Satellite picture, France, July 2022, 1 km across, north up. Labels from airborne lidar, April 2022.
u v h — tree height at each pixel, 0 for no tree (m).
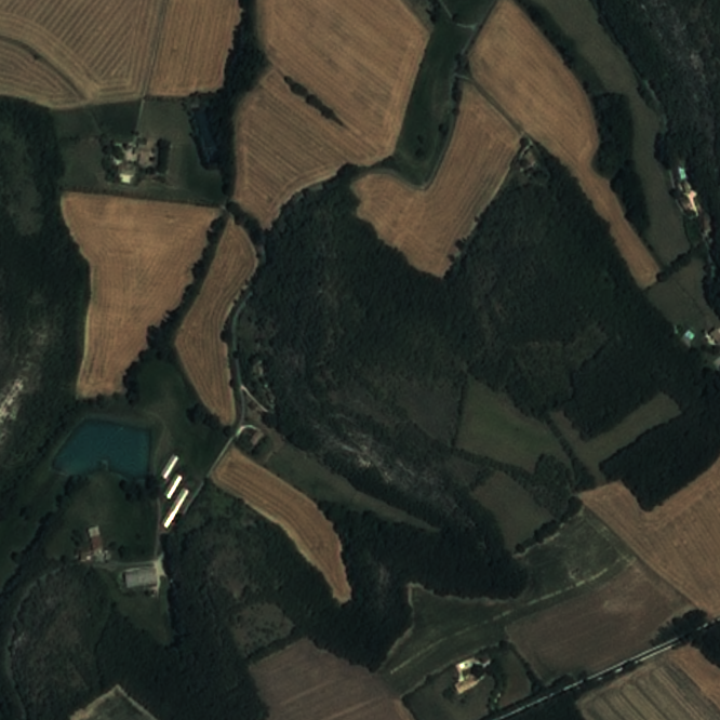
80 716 0
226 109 20
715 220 14
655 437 17
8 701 21
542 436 0
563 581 0
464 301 13
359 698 0
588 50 0
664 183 0
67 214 0
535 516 0
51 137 7
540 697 13
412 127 0
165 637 0
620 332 9
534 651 0
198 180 0
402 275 20
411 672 0
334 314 7
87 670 9
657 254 0
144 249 0
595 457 0
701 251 6
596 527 0
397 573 8
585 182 0
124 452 0
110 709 0
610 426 13
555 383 0
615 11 18
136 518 0
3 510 14
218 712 12
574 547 0
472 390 0
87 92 0
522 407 10
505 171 0
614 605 0
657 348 14
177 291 0
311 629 11
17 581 12
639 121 0
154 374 0
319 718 0
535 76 0
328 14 0
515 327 9
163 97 7
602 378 14
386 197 0
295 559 16
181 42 0
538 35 0
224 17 0
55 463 0
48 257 11
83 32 0
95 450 0
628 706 0
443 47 0
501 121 0
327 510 7
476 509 12
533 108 0
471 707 0
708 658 12
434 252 0
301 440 15
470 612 0
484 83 0
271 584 7
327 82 0
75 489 12
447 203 0
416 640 0
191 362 0
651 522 0
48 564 13
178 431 0
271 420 15
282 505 0
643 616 0
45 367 7
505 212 10
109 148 11
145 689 12
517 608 0
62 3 0
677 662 0
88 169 0
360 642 9
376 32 0
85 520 0
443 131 9
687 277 0
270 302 11
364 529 7
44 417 8
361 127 0
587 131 0
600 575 0
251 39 17
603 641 0
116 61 0
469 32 0
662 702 0
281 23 0
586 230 20
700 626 19
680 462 15
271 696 0
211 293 0
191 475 0
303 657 0
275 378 7
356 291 15
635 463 18
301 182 0
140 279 0
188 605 18
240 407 0
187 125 0
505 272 9
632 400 11
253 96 0
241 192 0
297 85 10
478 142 0
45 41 0
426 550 20
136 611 0
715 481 0
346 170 15
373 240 17
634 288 17
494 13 0
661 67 9
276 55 0
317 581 18
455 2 0
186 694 21
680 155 14
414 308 12
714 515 0
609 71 0
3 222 7
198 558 10
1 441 0
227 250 0
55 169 16
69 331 13
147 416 0
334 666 0
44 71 0
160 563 0
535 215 6
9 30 0
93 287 0
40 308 6
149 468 0
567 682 16
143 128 0
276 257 21
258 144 0
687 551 0
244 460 0
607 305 7
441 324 11
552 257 7
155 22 0
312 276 8
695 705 0
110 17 0
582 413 12
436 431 0
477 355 8
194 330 0
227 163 20
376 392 8
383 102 0
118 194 9
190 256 0
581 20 0
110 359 0
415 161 0
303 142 0
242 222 17
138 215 0
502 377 12
